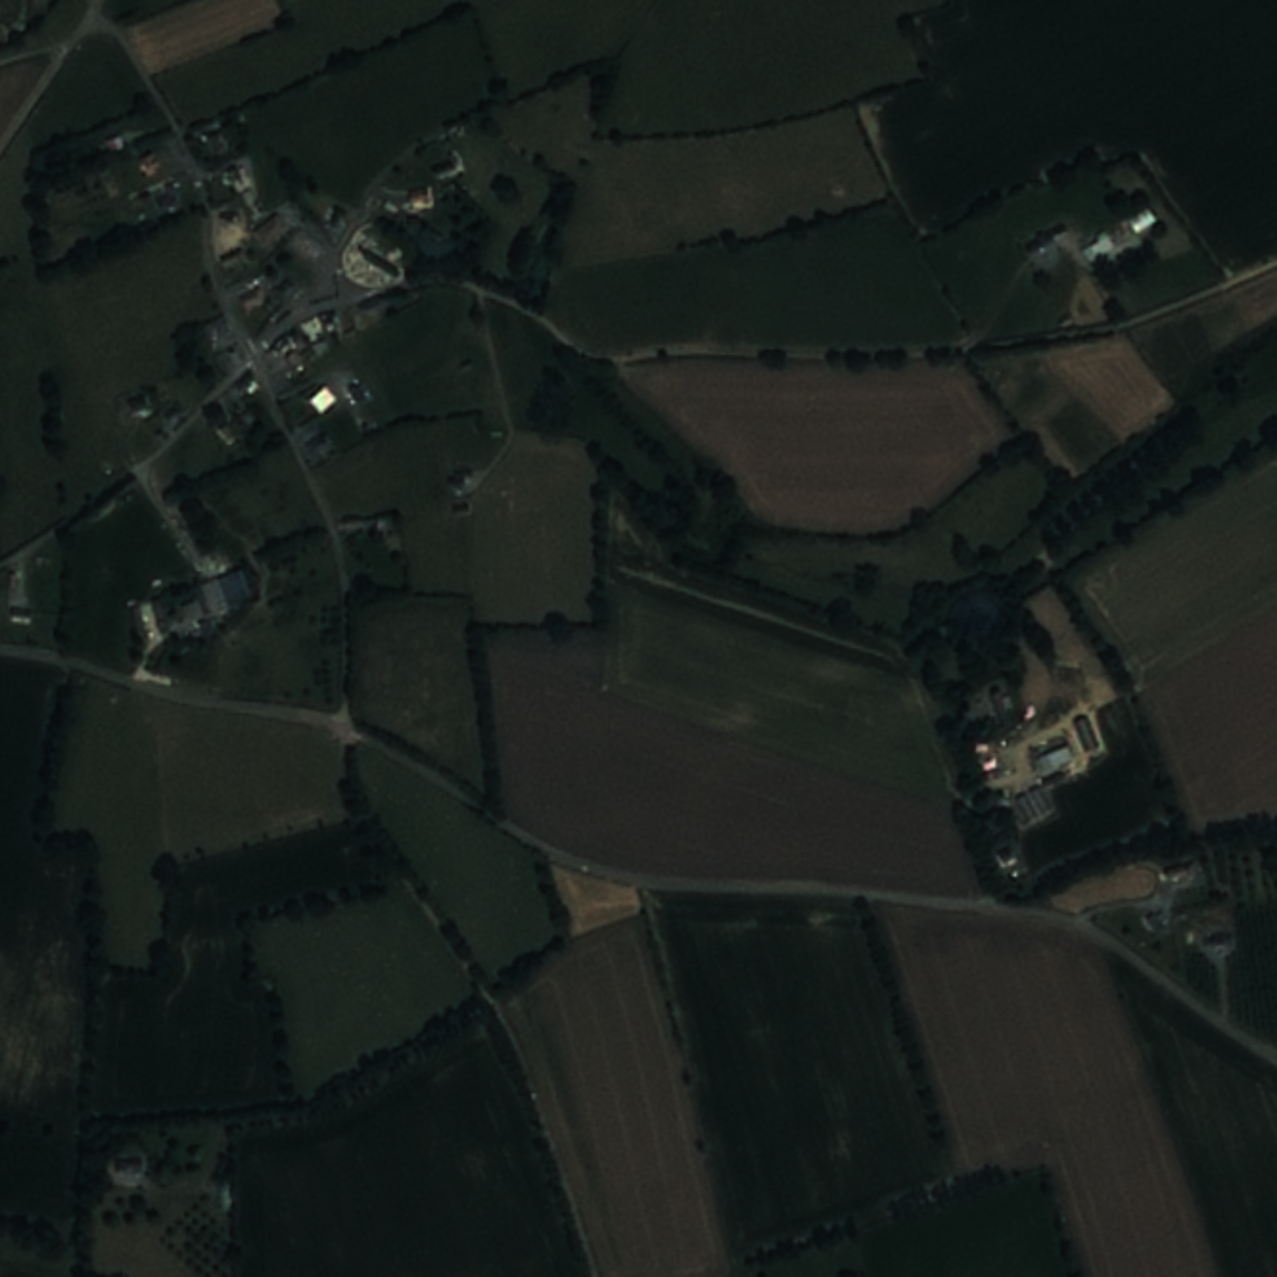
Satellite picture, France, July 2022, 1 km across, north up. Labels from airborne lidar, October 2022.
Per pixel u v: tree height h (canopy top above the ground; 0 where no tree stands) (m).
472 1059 0
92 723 0
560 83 9
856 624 14
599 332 0
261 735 0
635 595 0
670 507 27
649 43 0
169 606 7
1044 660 7
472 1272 0
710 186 0
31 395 0
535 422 21
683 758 0
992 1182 22
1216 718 0
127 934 0
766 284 0
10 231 0
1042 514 16
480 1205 0
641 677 0
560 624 19
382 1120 0
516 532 0
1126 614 0
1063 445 0
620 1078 0
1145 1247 0
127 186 0
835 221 8
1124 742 0
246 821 0
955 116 0
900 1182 0
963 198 0
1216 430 0
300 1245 0
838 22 0
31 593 0
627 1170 0
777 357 12
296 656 0
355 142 0
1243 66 0
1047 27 0
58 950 0
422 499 0
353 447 0
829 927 0
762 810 0
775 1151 0
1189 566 0
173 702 0
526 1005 0
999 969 0
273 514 0
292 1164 0
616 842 0
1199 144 0
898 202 7
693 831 0
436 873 0
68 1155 0
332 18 0
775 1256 13
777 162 0
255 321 0
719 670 0
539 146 0
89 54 0
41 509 0
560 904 13
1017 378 0
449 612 0
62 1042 0
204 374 11
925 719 0
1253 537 0
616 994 0
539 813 0
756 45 0
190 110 0
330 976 0
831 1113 0
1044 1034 0
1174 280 0
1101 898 0
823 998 0
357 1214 0
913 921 0
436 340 0
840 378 0
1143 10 0
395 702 0
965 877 0
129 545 0
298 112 0
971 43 0
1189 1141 0
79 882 0
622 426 10
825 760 0
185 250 0
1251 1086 0
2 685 0
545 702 0
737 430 0
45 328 0
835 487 0
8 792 0
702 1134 0
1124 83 0
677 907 0
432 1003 0
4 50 8
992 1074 0
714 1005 0
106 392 0
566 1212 19
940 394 0
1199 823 0
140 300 0
